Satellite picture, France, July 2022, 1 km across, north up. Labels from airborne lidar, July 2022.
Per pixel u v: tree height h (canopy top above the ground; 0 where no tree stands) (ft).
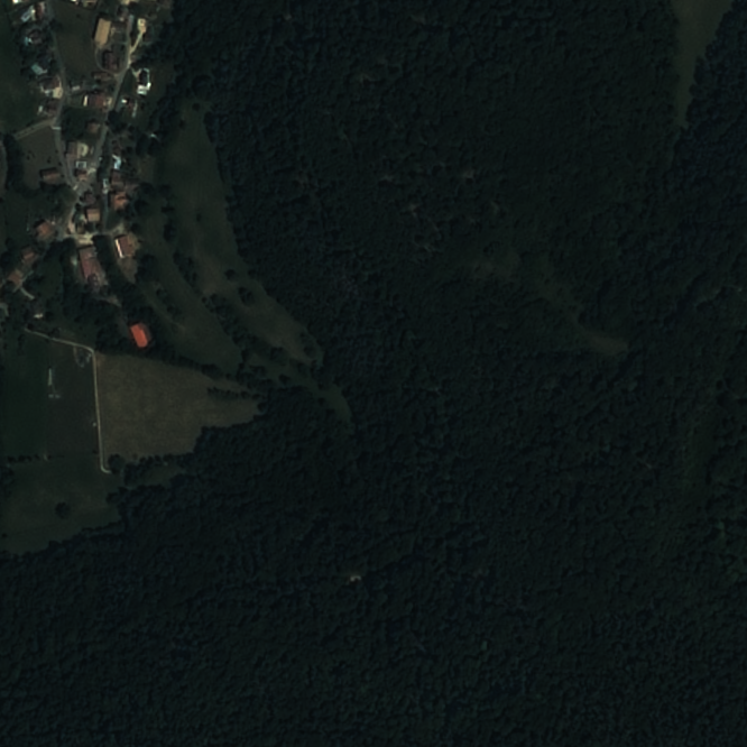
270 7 73
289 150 62
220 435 68
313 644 105
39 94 0
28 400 0
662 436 71
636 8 92
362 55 75
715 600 103
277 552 108
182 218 0
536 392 77
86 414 0
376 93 52
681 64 0
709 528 96
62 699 75
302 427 62
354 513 97
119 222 0
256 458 51
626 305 76
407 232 53
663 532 66
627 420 98
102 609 107
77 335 0
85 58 0
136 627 82
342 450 89
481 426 56
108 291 25
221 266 0
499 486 75
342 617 96
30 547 0
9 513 0
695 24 0
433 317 58
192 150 0
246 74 82
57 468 0
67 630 92
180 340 0
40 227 0
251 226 41
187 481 70
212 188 0
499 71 69
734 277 39
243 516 107
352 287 92
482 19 88
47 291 0
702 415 83
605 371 48
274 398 57
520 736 80
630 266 82
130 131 38
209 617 95
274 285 62
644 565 93
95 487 0
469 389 52
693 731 81
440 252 44
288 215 90
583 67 62
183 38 73
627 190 54
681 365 95
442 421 83
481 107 60
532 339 22
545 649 67
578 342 29
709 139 96
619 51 54
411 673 94
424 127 65
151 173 0
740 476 99
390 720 80
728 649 73
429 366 75
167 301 30
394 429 120
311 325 64
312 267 73
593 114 64
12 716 95
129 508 71
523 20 73
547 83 57
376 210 58
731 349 89
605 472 95
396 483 82
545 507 83
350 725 60
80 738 94
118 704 98
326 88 61
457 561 77
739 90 105
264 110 81
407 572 114
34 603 56
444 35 94
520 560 65
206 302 27
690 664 38
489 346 62
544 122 54
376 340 93
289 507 72
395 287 82
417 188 60
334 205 53
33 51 22
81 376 0
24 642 72
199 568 128
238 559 88
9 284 31
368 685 76
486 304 63
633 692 75
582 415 91
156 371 0
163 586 128
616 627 76
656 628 47
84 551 70
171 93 38
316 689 69
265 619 100
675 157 26
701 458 26
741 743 77
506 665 80
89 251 0
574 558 87
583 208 69
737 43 94
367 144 58
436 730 52
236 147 59
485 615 87
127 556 98
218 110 47
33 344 0
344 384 67
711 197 109
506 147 54
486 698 38
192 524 123
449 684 82
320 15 81
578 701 76
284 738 83
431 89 24
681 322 93
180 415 0
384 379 96
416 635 90
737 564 107
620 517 83
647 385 102
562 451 81
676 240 55
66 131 19
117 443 0
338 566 101
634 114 91
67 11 0
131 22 0
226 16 73
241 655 63
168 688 75
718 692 57
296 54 97
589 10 80
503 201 61
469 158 56
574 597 88
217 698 84
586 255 33
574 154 55
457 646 112
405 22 106
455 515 107
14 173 64
